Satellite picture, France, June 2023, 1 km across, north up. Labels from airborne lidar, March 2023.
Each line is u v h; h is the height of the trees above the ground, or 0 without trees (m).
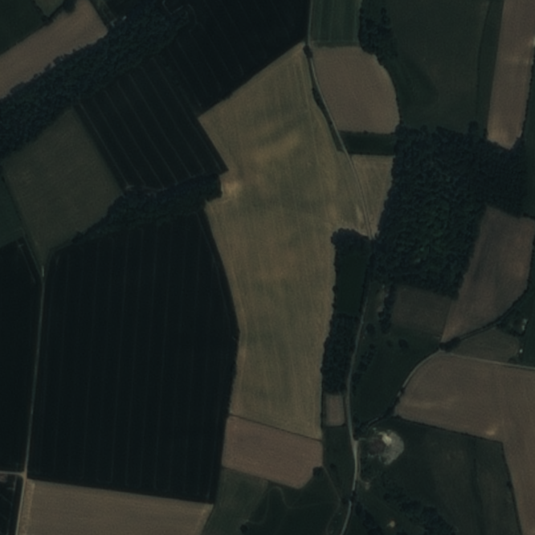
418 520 6
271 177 0
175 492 0
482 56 0
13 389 0
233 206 0
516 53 0
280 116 0
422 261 22
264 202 0
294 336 0
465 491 0
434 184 23
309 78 0
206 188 20
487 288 0
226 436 0
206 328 0
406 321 0
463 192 21
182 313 0
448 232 26
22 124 23
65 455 0
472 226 22
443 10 0
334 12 0
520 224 0
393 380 0
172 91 0
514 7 0
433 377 0
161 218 18
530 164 0
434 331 0
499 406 0
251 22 0
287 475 0
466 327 0
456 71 0
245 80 0
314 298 0
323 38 0
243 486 0
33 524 0
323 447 0
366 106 0
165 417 0
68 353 0
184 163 0
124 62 21
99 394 0
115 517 0
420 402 0
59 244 0
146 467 0
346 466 0
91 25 0
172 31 22
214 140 0
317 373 0
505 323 12
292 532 0
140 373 0
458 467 0
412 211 21
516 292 0
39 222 0
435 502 0
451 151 28
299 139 0
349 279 0
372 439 0
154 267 0
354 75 0
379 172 0
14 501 0
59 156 0
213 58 0
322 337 0
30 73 0
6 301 0
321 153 0
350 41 0
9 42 0
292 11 0
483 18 0
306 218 0
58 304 0
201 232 0
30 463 0
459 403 0
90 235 13
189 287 0
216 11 0
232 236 0
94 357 0
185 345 0
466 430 0
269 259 0
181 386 0
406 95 0
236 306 0
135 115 0
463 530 0
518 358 0
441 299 0
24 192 0
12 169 0
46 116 19
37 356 0
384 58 6
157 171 0
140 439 0
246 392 0
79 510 0
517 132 0
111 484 0
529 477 0
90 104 0
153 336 0
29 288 0
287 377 0
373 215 0
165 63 9
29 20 0
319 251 0
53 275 0
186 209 17
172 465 0
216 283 0
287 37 0
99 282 0
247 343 0
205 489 0
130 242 0
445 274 21
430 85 0
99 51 19
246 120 0
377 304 0
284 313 0
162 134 0
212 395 0
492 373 0
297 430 0
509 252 0
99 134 0
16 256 0
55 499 0
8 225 0
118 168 0
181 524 0
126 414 0
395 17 0
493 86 0
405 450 0
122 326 0
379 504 0
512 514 0
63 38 0
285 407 0
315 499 0
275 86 0
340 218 0
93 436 0
